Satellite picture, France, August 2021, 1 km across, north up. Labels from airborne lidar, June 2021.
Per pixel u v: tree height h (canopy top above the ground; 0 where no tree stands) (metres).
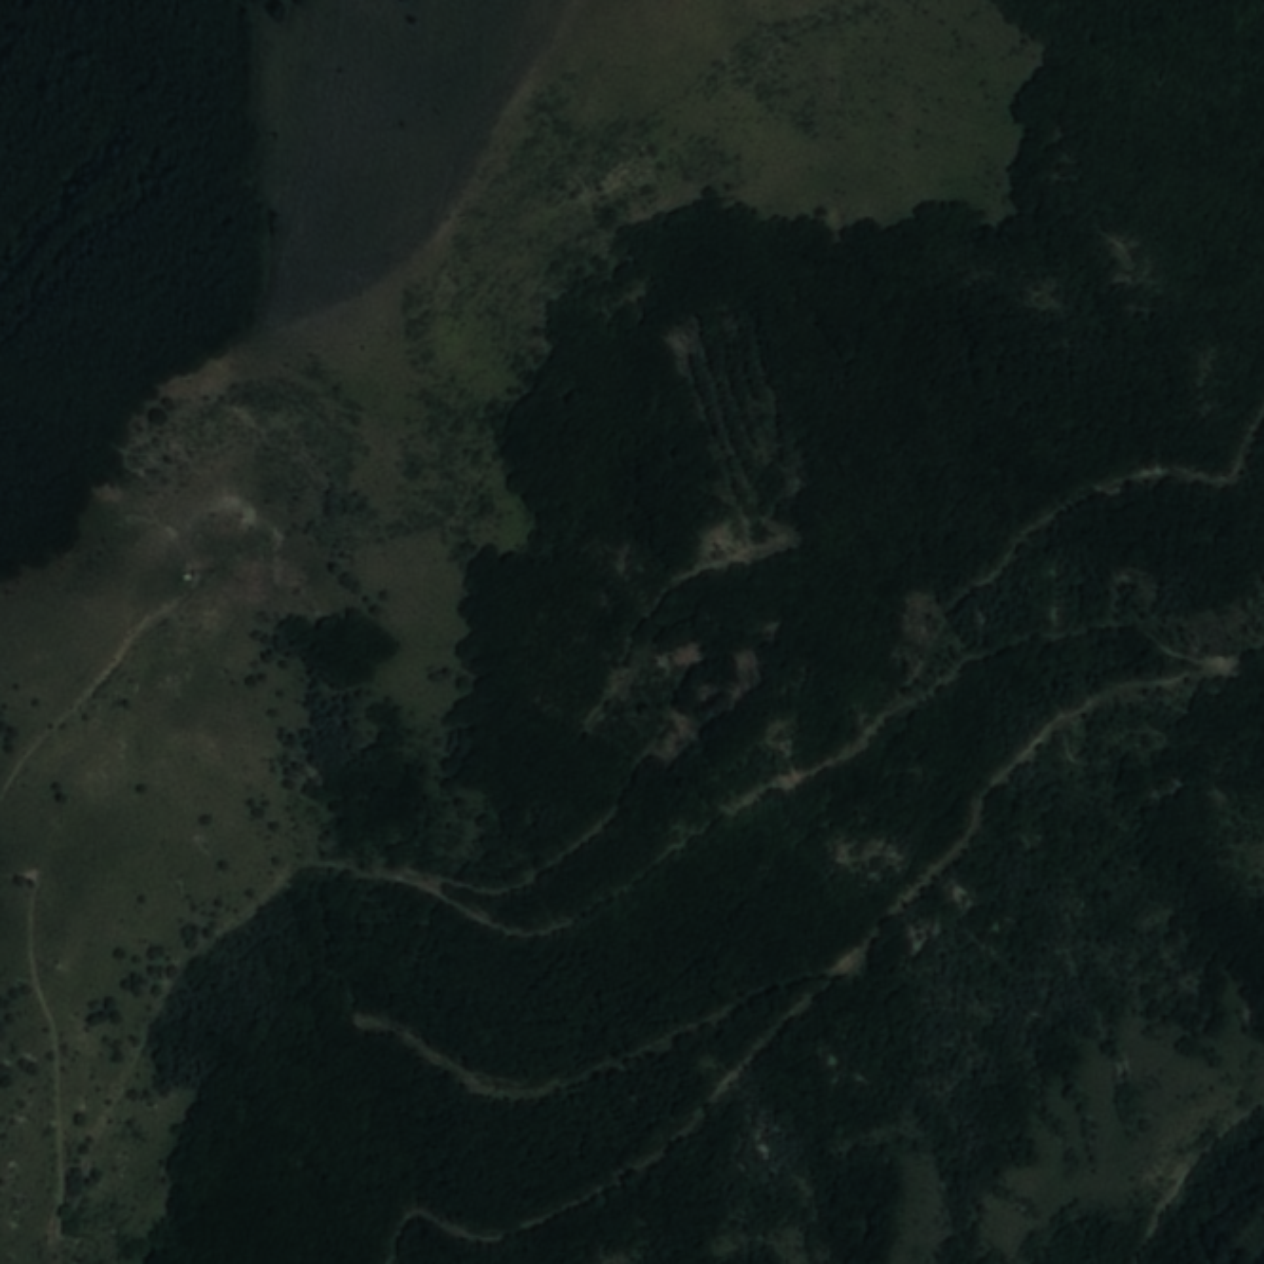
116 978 0
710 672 17
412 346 0
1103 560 16
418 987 15
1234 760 7
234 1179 13
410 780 13
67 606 0
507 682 15
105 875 0
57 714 0
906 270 15
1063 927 10
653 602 8
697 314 23
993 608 13
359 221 0
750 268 17
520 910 9
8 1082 11
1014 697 15
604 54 0
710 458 13
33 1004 0
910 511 16
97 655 0
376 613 11
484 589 17
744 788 10
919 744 8
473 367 0
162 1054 13
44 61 15
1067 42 14
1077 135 10
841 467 15
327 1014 21
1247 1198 8
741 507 6
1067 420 21
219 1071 11
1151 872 13
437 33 0
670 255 17
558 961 13
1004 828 12
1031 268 9
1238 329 12
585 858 11
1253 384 15
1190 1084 0
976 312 23
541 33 0
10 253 13
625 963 13
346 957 20
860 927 17
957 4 0
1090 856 8
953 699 10
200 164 21
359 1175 14
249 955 6
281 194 0
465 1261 11
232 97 15
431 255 0
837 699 10
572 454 15
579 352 19
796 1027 18
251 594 0
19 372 12
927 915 13
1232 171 13
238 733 0
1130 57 12
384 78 0
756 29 0
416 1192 16
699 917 10
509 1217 14
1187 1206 7
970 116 0
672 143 0
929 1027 12
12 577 13
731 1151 15
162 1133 0
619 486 16
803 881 13
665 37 0
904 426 13
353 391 0
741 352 12
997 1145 13
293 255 0
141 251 21
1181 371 15
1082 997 15
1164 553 15
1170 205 13
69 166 19
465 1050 17
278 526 0
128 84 17
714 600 15
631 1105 16
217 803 0
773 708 9
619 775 14
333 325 0
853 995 16
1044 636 9
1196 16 12
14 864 0
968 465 17
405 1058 13
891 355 16
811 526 14
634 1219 22
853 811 7
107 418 9
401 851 8
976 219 11
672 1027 24
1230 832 6
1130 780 16
